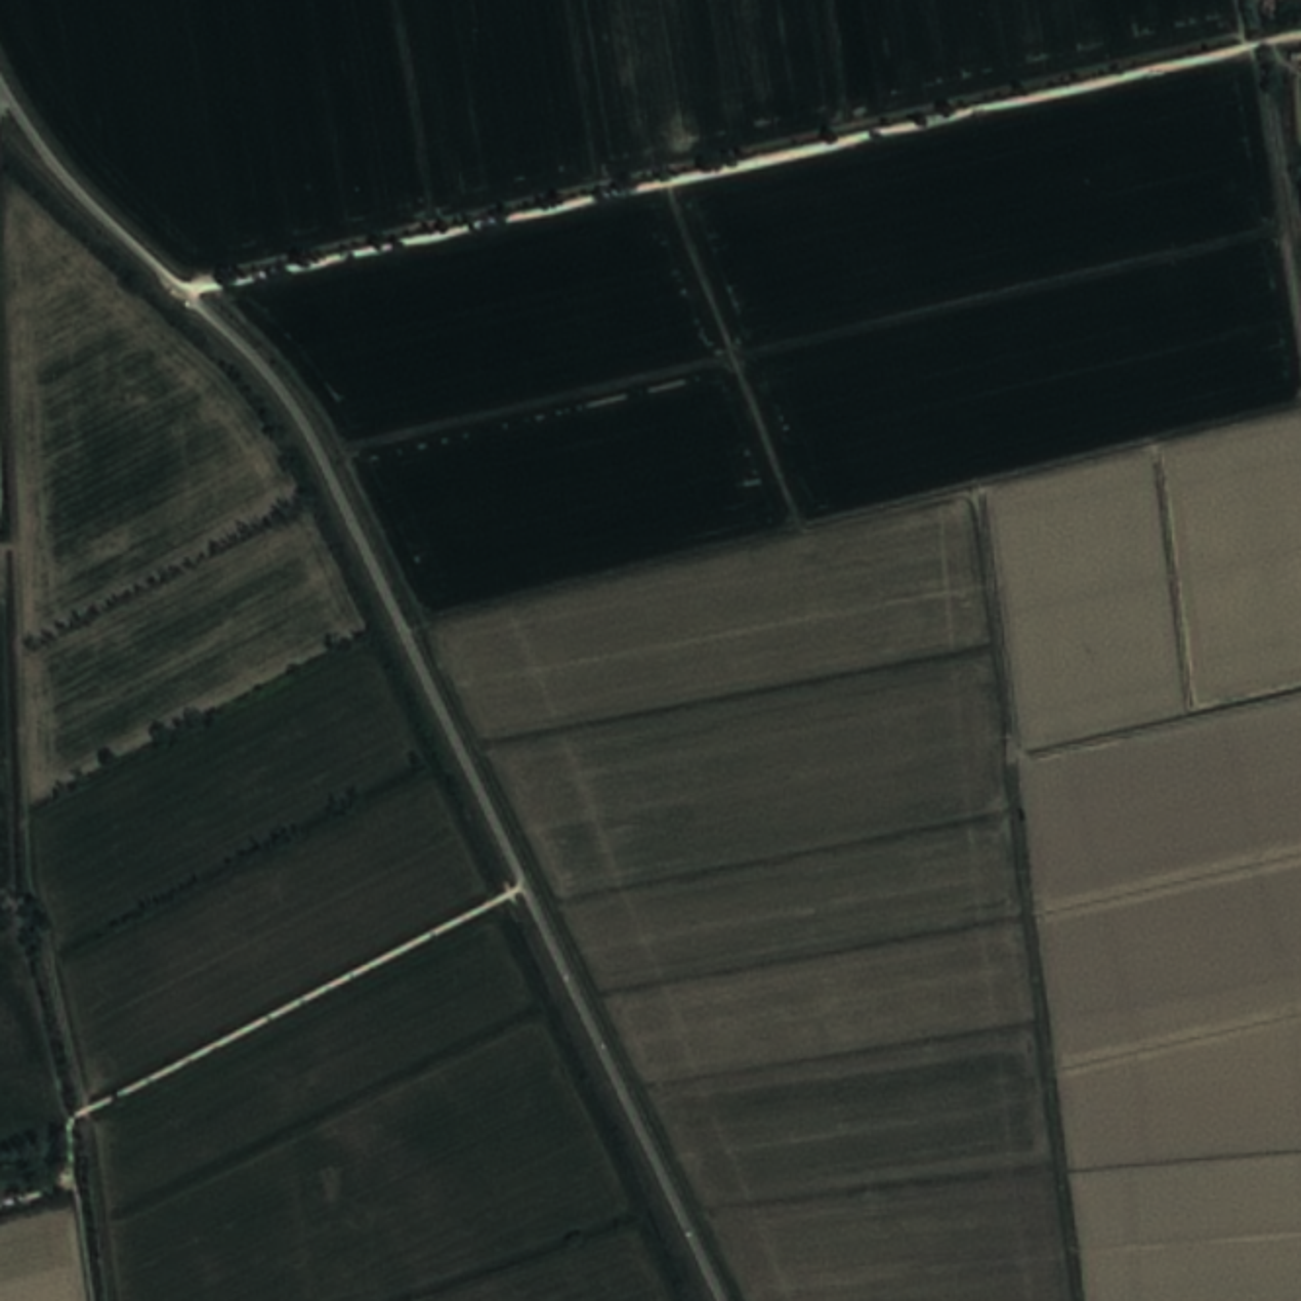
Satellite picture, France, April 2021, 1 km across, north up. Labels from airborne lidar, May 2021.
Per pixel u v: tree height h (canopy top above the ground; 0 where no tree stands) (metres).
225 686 0
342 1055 0
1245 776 0
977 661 0
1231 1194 0
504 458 0
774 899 0
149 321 0
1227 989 0
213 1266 0
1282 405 0
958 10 0
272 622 0
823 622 0
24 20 0
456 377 0
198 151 0
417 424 0
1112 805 0
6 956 0
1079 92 0
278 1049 0
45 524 0
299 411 0
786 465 0
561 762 0
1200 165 0
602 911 0
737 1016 0
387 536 0
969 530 0
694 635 0
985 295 0
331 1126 0
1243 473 0
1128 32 0
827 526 0
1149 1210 0
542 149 0
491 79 0
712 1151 0
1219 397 0
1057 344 0
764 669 0
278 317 0
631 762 0
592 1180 0
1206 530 0
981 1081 0
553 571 0
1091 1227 0
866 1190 0
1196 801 0
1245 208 0
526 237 0
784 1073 0
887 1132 0
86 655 0
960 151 0
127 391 0
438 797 0
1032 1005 0
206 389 0
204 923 0
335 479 0
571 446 0
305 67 0
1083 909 0
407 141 0
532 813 0
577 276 0
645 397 0
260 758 0
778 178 0
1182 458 0
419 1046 0
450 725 0
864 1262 0
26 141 0
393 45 0
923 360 0
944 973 0
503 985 0
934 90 0
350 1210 0
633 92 0
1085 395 0
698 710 0
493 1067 0
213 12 0
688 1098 0
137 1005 0
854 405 0
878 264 0
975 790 0
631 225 0
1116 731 0
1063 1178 0
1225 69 0
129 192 0
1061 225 0
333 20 0
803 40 0
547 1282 0
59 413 0
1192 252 0
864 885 0
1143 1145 0
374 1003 0
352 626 0
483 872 0
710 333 0
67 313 0
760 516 0
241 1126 0
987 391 0
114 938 0
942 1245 0
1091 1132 0
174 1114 0
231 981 0
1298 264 0
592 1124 0
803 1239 0
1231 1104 0
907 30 0
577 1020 0
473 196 0
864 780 0
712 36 0
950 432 0
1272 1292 0
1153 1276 0
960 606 0
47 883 0
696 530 0
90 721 0
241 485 0
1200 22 0
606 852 0
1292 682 0
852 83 0
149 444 0
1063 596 0
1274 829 0
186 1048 0
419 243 0
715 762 0
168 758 0
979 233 0
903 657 0
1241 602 0
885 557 0
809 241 0
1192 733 0
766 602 0
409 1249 0
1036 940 0
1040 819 0
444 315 0
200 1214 0
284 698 0
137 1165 0
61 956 0
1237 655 0
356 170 0
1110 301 0
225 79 0
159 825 0
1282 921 0
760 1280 0
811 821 0
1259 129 0
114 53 0
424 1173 0
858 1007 0
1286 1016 0
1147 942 0
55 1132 9
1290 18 13
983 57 0
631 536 0
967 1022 0
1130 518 0
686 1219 0
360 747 0
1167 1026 0
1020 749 0
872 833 0
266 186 0
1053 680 0
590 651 0
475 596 0
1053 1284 0
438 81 0
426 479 0
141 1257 0
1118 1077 0
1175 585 0
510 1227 0
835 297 0
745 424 0
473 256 0
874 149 0
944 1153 0
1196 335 0
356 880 0
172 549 0
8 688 0
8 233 0
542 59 0
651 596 0
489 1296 0
